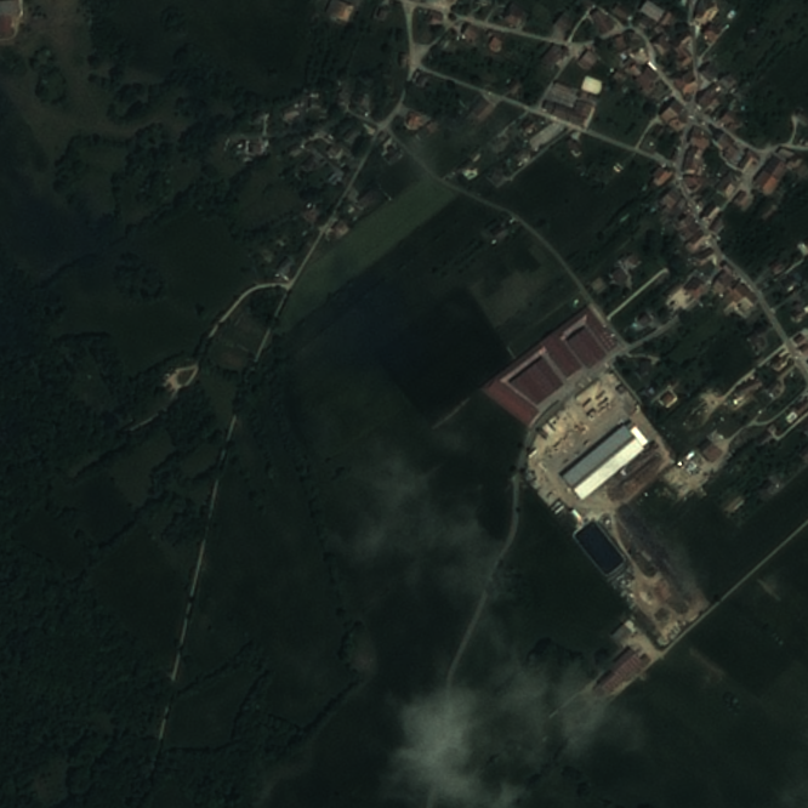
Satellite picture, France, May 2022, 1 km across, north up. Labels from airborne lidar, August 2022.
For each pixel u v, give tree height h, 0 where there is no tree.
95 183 0
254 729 21
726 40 0
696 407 0
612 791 0
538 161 0
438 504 0
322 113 0
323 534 9
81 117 0
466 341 0
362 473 0
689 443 0
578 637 0
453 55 7
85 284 0
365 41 0
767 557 0
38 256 0
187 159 8
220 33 0
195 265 0
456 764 0
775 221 6
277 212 0
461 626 0
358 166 0
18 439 20
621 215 7
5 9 0
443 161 0
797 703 0
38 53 7
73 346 18
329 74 6
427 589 0
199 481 12
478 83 14
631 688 0
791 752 0
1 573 13
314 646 0
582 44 0
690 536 0
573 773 14
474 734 0
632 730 0
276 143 8
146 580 0
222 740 0
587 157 0
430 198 0
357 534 0
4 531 20
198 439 14
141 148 17
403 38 12
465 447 0
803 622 0
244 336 0
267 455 7
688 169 0
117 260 0
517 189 0
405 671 0
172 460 12
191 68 7
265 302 9
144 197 11
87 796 18
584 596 0
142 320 0
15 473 18
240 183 15
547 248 0
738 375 0
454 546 0
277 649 0
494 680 0
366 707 0
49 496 12
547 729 0
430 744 0
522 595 24
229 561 0
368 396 0
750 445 9
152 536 7
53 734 16
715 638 0
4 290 10
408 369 0
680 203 0
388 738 0
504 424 0
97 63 16
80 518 7
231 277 0
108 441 19
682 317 10
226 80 6
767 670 0
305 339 0
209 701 0
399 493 0
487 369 0
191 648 0
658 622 0
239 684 0
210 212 12
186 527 9
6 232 0
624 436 0
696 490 0
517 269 0
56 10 0
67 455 19
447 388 0
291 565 0
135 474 0
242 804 16
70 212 0
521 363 0
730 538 0
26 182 0
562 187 0
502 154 6
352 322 0
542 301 0
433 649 0
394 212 0
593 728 0
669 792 0
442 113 9
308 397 0
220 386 0
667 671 0
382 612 0
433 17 0
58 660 23
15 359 18
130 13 0
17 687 11
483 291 0
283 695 0
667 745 0
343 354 0
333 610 0
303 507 0
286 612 0
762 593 0
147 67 0
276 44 0
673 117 0
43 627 13
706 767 0
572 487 0
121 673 15
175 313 0
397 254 0
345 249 0
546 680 0
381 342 0
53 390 21
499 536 0
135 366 0
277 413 10
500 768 0
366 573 0
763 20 8
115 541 11
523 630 0
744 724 0
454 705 0
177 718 0
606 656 18
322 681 0
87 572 8
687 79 0
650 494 0
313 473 14
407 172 0
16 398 15
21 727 11
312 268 0
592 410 0
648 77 0
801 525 0
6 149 0
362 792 0
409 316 0
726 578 0
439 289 0
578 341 0
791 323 0
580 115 0
